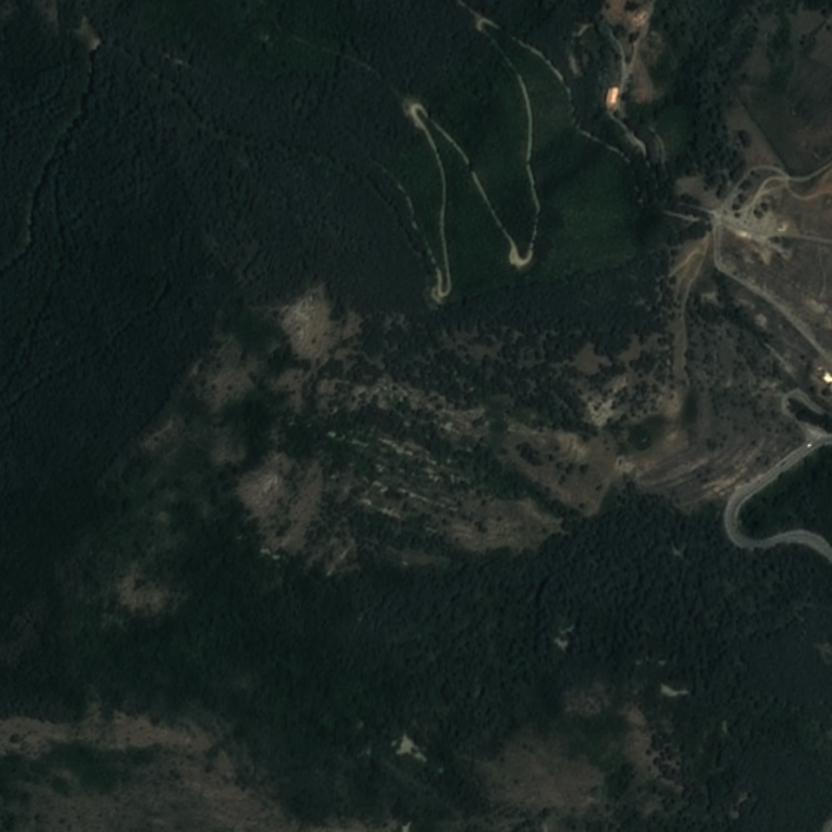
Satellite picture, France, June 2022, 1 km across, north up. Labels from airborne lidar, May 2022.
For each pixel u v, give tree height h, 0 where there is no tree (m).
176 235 14
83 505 10
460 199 8
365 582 18
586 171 9
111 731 0
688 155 11
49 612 18
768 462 7
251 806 0
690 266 0
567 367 9
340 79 18
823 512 11
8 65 13
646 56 0
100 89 16
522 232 6
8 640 8
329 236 15
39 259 13
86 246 13
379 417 10
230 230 16
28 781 7
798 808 13
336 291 16
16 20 6
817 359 0
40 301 14
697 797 14
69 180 18
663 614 10
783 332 0
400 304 12
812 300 0
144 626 8
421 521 11
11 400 13
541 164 7
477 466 7
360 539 9
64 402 14
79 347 17
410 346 12
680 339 0
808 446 0
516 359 14
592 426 9
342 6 12
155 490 7
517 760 0
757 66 0
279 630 9
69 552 13
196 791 0
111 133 22
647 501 11
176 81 19
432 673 12
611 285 7
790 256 0
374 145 21
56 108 17
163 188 16
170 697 6
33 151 21
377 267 15
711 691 18
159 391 9
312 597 14
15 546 13
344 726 8
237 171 17
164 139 13
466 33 21
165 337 15
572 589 20
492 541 0
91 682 7
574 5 20
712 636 11
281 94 17
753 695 20
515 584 11
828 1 7
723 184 6
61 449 12
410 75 22
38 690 17
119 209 19
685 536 15
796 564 9
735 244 0
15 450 11
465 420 0
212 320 9
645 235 6
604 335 14
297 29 7
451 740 10
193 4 5
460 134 7
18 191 19
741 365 8
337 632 13
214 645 6
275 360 11
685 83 11
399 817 7
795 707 10
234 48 8
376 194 7
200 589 8
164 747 0
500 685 7
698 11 13
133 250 16
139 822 0
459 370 15
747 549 12
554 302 16
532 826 13
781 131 0
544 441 0
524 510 0
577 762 0
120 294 16
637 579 8
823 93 0
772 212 0
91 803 0
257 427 8
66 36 9
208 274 14
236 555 14
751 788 14
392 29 16
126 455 14
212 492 10
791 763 18
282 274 19
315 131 19
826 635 10
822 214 0
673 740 7
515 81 7
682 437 0
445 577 17
